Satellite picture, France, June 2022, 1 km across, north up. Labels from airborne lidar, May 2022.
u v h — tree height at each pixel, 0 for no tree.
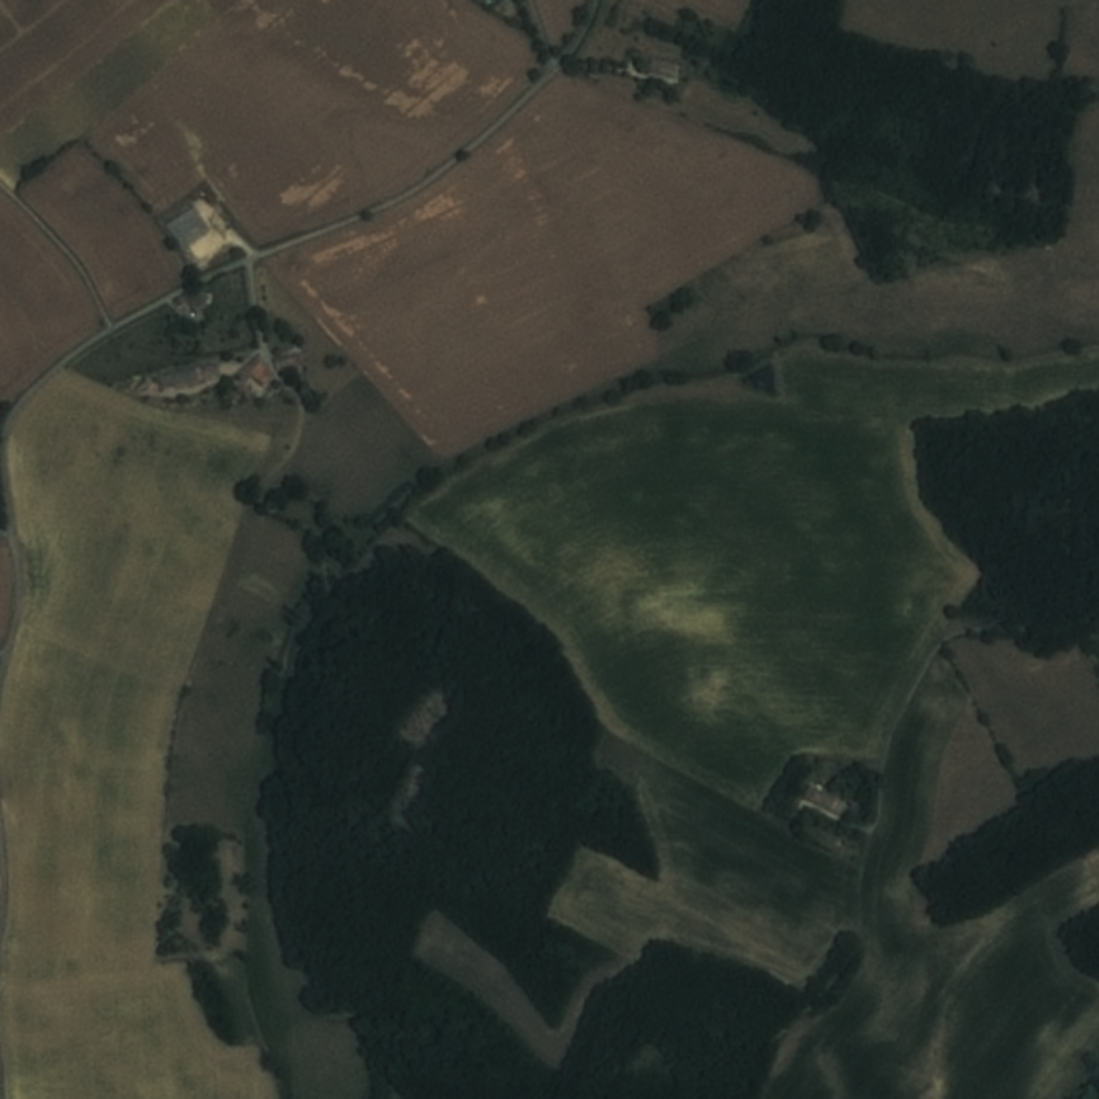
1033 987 0
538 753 20
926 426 13
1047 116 20
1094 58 0
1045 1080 0
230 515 0
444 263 0
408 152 0
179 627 0
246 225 0
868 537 0
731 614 0
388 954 14
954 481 7
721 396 0
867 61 15
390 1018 10
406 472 0
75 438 0
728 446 0
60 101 0
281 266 0
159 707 0
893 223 7
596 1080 16
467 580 19
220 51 0
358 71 0
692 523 0
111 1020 0
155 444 0
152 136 0
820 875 0
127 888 0
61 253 0
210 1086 0
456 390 0
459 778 16
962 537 12
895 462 0
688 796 0
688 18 10
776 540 0
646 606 0
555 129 0
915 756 0
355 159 0
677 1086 13
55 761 0
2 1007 0
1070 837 19
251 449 0
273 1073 24
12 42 0
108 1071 0
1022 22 0
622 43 0
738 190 0
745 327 0
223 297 0
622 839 20
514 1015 0
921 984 0
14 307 0
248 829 0
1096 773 24
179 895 9
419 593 11
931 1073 0
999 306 0
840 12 21
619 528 0
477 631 19
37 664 0
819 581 0
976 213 9
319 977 18
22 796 0
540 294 0
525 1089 6
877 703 0
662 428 0
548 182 0
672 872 0
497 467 0
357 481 0
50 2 0
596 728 18
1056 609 17
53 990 0
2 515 13
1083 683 0
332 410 0
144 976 0
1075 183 13
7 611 0
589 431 0
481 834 16
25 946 0
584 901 0
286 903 14
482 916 9
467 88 0
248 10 0
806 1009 8
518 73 0
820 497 0
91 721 0
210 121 0
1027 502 16
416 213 0
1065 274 0
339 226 0
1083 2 0
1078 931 15
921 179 12
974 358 0
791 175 0
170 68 0
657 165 0
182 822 0
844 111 11
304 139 0
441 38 0
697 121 0
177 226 0
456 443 0
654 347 0
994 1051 0
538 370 0
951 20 0
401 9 0
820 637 0
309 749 19
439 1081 18
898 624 0
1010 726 0
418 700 19
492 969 0
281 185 0
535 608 0
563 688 18
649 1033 9
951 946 0
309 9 0
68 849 0
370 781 21
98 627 0
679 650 0
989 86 19
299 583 0
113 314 0
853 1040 0
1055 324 0
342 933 17
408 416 0
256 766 0
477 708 21
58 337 0
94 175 0
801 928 0
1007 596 19
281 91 0
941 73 13
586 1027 10
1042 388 0
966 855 26
